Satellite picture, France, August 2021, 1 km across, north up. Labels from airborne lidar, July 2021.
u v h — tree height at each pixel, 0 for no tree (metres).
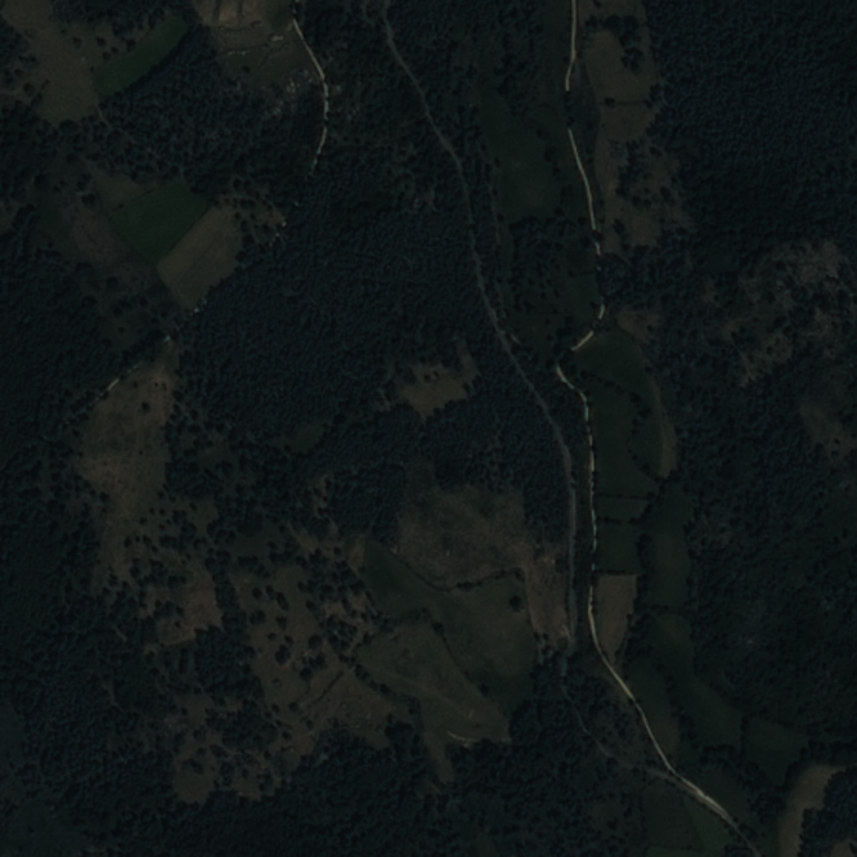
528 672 0
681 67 13
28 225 19
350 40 10
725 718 0
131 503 0
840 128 18
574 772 10
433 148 20
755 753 0
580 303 0
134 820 17
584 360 0
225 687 12
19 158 11
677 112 17
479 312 16
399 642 0
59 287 9
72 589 13
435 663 0
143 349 14
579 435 15
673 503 0
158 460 0
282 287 16
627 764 0
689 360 11
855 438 7
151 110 11
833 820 17
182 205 0
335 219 16
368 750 14
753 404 14
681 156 12
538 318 0
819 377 11
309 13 7
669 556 0
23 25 0
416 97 15
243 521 12
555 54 0
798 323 13
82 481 9
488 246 14
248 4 0
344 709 0
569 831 18
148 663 15
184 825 20
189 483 22
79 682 15
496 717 0
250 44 0
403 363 13
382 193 9
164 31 0
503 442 12
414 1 17
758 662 8
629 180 17
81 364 18
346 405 12
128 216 0
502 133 0
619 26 18
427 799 7
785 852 0
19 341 18
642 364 0
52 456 12
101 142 14
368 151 10
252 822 18
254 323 18
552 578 0
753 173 12
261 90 0
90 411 10
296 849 19
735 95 21
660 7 14
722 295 8
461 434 16
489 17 16
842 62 8
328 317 7
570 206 6
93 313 17
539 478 16
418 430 10
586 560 6
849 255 15
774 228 12
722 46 15
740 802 0
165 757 13
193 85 14
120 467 0
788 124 15
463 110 13
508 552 0
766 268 0
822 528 9
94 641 15
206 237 0
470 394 15
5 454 17
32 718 17
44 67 0
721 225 13
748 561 6
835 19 16
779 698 6
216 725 11
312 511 16
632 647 8
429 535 0
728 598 6
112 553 0
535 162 0
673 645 0
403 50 16
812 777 0
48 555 19
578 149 0
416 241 14
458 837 9
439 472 10
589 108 0
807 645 8
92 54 0
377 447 15
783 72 16
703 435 11
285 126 10
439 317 13
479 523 0
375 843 16
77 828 9
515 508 0
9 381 20
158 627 7
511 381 17
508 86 13
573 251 0
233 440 16
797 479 15
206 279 0
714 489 10
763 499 10
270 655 0
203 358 11
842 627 9
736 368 8
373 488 15
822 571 10
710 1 18
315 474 13
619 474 0
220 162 15
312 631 0
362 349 12
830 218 13
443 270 14
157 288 0
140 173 9
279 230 11
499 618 0
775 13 12
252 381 19
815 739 16
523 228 16
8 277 16
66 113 0
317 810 16
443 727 0
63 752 18
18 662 9
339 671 0
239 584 0
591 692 13
